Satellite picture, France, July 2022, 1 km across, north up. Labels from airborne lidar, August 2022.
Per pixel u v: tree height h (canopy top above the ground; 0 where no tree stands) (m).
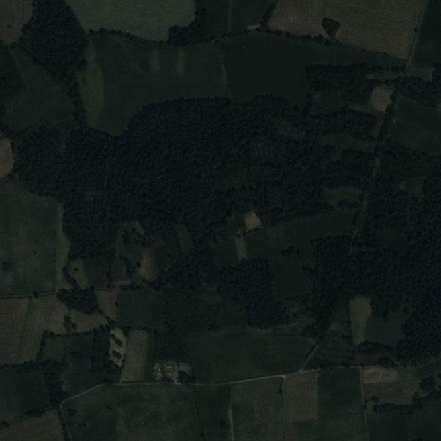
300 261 12
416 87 12
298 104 0
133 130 26
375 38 0
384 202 21
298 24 0
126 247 10
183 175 19
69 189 15
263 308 25
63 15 20
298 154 20
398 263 28
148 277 0
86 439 0
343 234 0
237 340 0
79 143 22
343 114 19
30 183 18
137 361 0
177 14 0
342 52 0
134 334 0
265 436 0
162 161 14
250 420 0
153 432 0
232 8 0
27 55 14
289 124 8
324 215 15
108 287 13
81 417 0
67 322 15
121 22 0
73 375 0
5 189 0
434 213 7
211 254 20
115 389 0
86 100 0
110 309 0
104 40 0
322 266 14
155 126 14
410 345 21
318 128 17
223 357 0
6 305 0
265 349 0
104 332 21
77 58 21
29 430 0
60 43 12
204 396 0
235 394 0
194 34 17
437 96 18
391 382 0
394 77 0
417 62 0
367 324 0
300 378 0
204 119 16
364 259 22
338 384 0
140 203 14
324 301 16
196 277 18
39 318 0
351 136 16
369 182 26
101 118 0
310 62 0
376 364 5
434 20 0
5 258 0
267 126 20
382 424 0
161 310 0
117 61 0
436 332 21
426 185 15
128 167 20
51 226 0
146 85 0
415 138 0
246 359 0
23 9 0
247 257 0
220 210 17
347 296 24
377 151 14
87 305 12
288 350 0
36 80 0
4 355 0
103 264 0
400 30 0
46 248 0
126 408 0
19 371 12
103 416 0
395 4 0
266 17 10
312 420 0
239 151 10
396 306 28
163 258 0
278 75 0
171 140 17
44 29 17
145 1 0
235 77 0
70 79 21
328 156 24
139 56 0
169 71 0
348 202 16
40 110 0
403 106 0
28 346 0
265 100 17
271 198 26
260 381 0
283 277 0
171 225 23
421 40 0
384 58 6
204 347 0
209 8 0
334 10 0
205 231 7
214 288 0
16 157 16
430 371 0
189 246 0
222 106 22
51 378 10
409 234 7
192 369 8
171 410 0
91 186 25
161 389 0
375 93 0
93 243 8
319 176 18
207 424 0
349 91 18
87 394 0
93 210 28
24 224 0
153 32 0
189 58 0
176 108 22
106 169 19
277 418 0
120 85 0
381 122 0
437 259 34
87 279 0
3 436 0
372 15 0
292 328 0
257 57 0
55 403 17
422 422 0
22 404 0
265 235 0
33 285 0
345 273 21
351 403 0
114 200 18
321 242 10
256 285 27
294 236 0
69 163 28
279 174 18
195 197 24
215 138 15
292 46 0
